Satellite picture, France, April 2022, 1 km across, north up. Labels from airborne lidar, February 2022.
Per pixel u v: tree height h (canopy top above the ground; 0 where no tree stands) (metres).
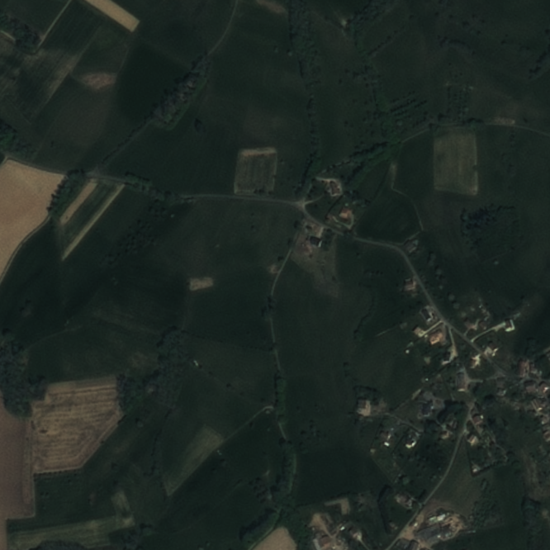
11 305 0
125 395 17
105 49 0
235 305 0
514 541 0
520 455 0
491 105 0
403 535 0
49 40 0
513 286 0
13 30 18
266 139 0
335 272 0
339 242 0
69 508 0
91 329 0
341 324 0
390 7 19
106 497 0
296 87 0
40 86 0
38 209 0
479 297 0
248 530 0
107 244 0
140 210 0
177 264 0
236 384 0
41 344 0
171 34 0
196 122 0
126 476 0
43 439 0
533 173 0
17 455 0
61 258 0
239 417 0
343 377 0
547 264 0
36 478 9
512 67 0
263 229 0
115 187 0
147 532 20
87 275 0
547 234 0
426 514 0
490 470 7
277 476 0
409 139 0
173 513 0
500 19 0
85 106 0
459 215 0
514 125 0
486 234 6
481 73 0
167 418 6
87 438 0
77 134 0
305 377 0
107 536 0
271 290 0
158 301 0
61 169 0
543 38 0
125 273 0
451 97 7
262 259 0
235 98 0
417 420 0
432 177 0
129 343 0
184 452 0
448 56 0
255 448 0
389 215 0
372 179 0
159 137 0
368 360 0
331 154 0
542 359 7
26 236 0
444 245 0
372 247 0
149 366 0
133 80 0
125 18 0
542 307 0
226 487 0
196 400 0
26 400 22
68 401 0
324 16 0
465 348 0
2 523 0
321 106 0
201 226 0
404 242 0
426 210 0
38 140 0
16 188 0
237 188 0
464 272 0
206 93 0
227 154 0
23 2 0
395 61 0
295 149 0
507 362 0
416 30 0
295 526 24
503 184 0
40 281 0
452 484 0
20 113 0
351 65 0
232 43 0
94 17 0
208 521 0
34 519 0
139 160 0
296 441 0
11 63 0
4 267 0
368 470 0
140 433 0
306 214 0
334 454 0
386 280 0
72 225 0
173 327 0
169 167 0
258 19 0
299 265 0
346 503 0
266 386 0
